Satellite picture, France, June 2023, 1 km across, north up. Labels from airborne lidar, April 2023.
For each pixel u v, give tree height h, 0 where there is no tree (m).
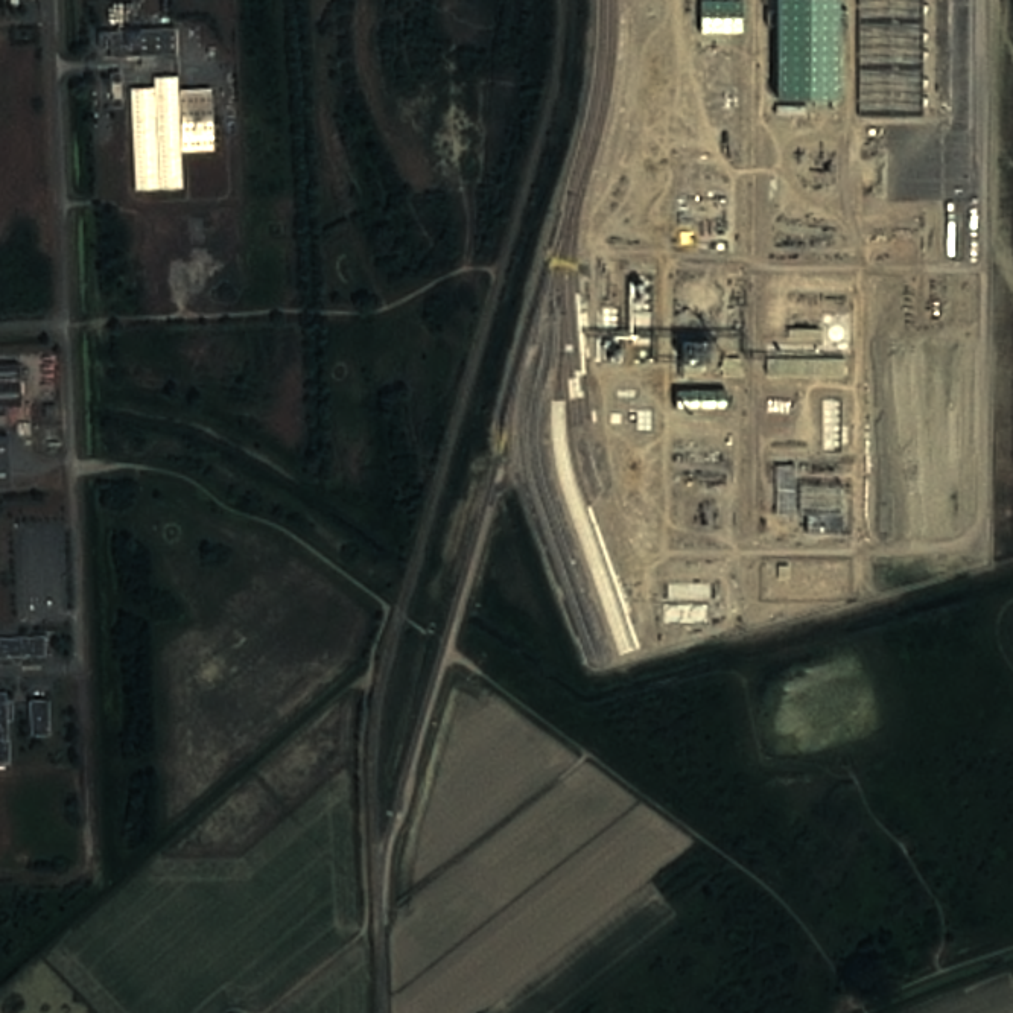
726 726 0
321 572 0
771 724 0
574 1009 0
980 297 0
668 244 0
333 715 0
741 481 0
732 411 0
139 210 0
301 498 0
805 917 0
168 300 0
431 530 0
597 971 0
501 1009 0
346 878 0
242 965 0
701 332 0
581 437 0
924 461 0
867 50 0
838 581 0
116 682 0
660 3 0
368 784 0
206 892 0
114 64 0
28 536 0
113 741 0
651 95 0
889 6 0
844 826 0
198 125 0
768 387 0
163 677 0
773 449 0
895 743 0
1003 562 0
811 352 0
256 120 0
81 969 0
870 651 0
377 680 0
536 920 0
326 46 0
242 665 0
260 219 0
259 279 0
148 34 0
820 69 0
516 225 0
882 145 0
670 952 0
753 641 0
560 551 0
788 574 0
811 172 0
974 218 0
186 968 0
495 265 0
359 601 0
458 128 0
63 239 0
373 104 0
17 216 0
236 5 0
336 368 0
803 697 0
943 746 0
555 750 0
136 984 0
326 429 9
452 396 0
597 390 0
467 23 0
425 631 0
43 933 0
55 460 0
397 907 0
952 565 0
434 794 0
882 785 0
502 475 0
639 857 0
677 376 0
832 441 0
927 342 0
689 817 0
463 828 0
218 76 0
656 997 0
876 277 0
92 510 0
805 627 0
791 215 0
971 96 0
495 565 0
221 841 0
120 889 0
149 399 0
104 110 0
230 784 0
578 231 0
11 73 0
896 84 0
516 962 0
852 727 0
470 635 0
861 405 0
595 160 0
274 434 0
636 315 0
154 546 0
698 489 0
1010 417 0
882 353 0
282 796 0
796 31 0
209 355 0
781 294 0
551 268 0
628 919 0
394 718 0
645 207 0
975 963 0
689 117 0
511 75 0
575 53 0
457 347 0
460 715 0
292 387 0
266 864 0
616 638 0
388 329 0
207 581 0
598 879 0
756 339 0
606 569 0
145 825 14
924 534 0
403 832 0
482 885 0
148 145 0
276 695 0
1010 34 0
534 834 0
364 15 0
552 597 0
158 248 0
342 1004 0
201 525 0
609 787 0
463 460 0
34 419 0
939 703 0
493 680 0
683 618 0
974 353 0
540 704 0
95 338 0
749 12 0
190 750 0
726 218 0
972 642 0
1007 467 0
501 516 0
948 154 0
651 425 0
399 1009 0
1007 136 0
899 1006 0
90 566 0
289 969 0
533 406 0
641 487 0
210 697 0
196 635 0
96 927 0
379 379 0
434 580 0
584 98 0
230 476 0
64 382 0
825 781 0
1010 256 0
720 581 0
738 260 0
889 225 0
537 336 0
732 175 0
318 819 0
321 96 0
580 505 0
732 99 0
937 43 0
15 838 0
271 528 0
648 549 0
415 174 0
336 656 0
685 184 0
